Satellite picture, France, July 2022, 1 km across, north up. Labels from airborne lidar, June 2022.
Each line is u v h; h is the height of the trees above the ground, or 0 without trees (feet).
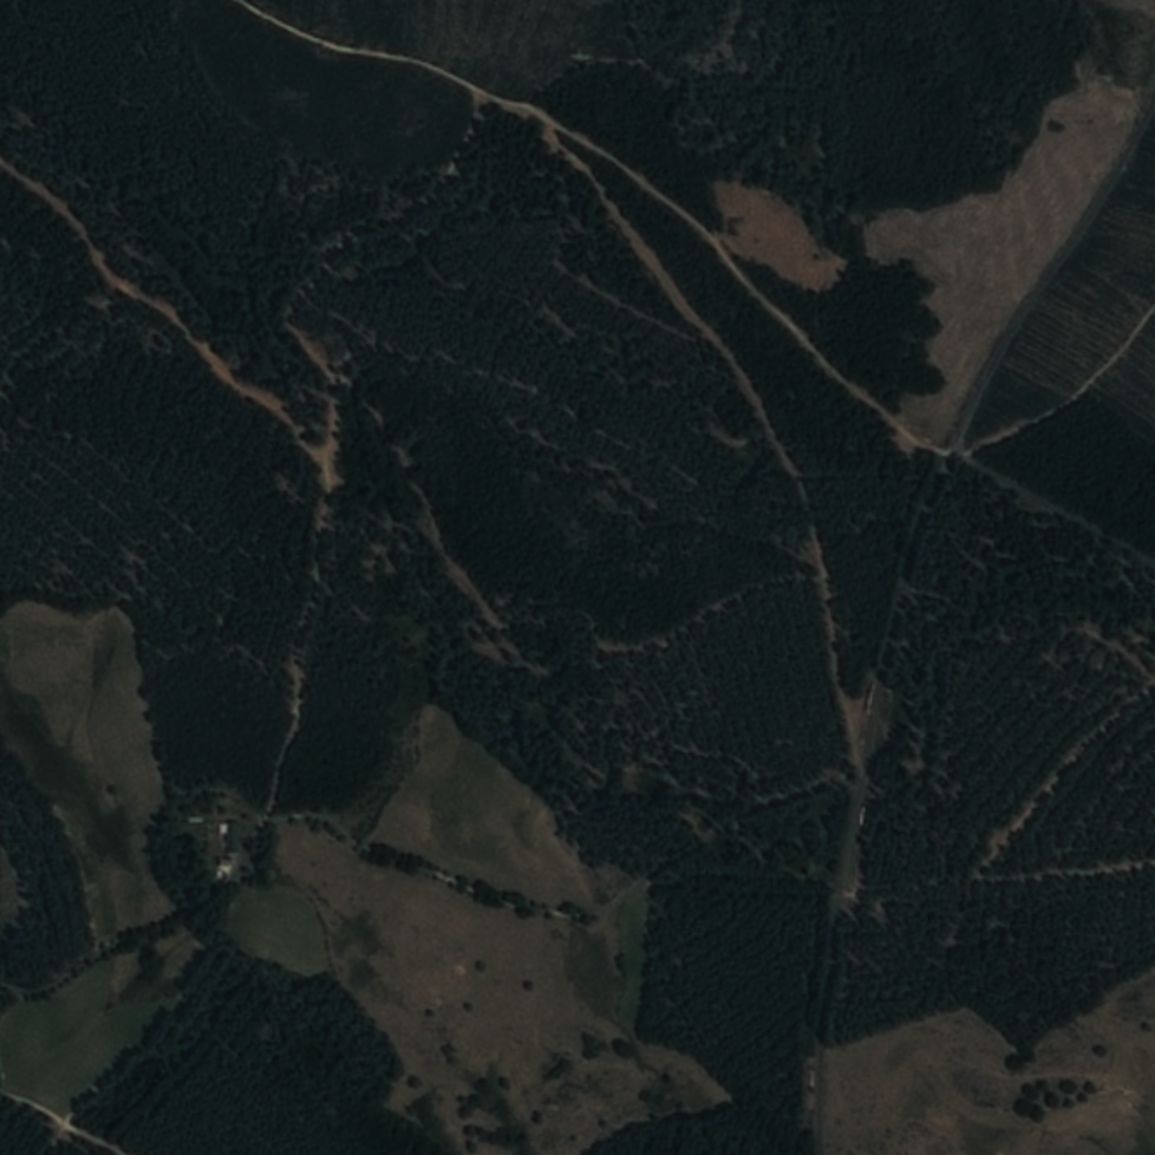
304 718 28
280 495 70
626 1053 52
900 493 73
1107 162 0
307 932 0
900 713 0
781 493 72
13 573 57
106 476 49
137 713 0
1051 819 52
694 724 52
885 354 43
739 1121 77
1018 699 55
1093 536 56
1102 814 46
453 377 55
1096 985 70
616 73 36
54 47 75
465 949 0
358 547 73
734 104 55
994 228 0
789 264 0
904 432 0
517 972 0
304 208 26
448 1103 0
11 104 76
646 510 48
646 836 90
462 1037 0
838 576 51
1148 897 44
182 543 70
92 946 49
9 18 80
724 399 60
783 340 19
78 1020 0
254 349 71
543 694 95
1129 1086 0
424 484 24
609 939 0
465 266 86
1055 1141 0
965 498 69
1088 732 36
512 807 0
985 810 49
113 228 81
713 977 50
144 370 55
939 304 0
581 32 0
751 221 0
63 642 0
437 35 0
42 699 0
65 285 51
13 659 0
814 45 77
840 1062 0
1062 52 47
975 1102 0
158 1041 82
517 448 52
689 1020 53
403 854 23
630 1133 51
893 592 52
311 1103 78
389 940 0
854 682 45
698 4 66
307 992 78
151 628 62
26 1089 0
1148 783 40
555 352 86
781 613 48
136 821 0
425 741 0
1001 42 34
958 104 47
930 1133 0
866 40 40
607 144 39
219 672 26
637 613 30
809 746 50
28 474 59
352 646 30
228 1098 58
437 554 93
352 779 37
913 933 64
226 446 52
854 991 69
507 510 33
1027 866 42
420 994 0
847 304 47
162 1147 64
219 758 28
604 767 76
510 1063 0
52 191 79
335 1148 62
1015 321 0
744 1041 51
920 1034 0
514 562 22
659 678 46
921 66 48
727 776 75
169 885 94
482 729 68
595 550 28
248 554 55
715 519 58
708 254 21
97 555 62
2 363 58
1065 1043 0
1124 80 0
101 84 46
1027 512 30
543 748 92
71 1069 0
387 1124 19
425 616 90
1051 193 0
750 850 76
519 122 75
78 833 0
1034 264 0
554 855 0
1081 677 39
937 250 0
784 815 72
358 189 31
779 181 74
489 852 0
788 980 56
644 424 66
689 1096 0
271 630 61
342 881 0
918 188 32
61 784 0
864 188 33
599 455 55
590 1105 0
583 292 62
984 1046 0
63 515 53
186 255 72
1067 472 47
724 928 61
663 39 72
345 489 47
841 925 52
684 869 78
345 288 81
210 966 56
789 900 67
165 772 49
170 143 79
